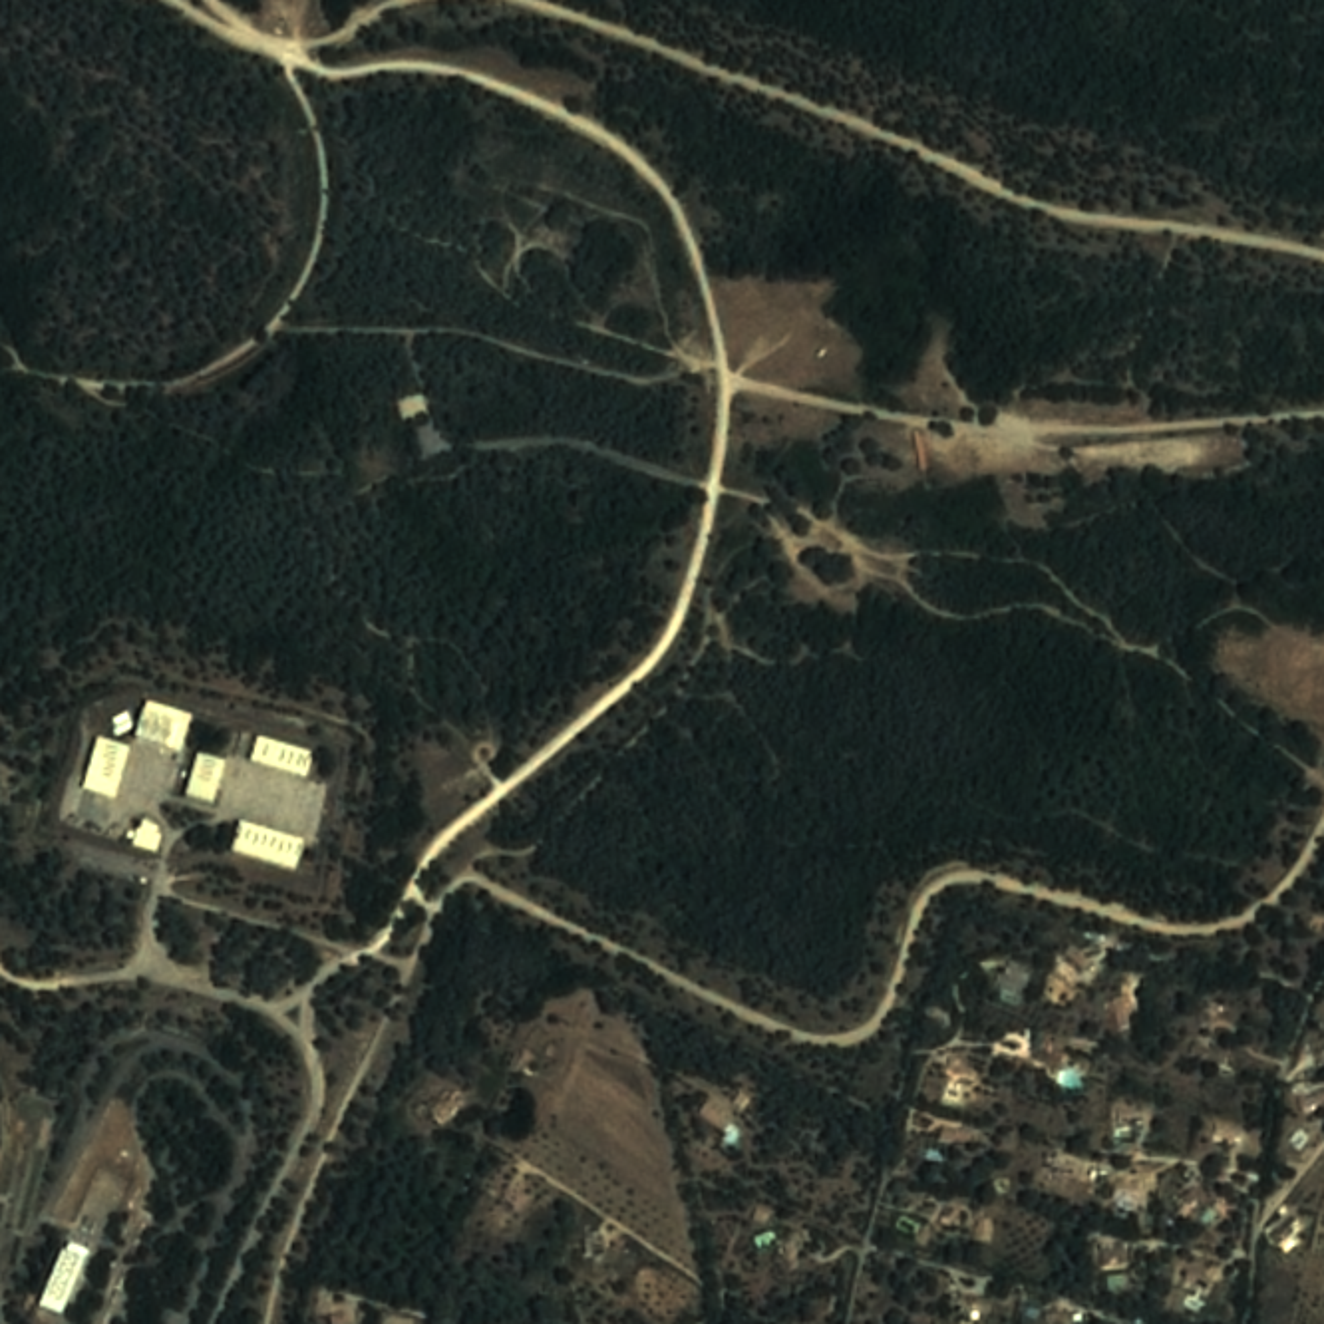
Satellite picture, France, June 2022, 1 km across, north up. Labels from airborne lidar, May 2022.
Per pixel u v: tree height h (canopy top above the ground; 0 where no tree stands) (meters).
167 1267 12
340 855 5
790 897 8
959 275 10
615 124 10
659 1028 16
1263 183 9
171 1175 8
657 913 13
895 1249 15
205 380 7
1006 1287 14
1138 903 9
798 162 7
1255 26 7
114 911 18
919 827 9
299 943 13
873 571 0
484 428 9
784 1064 17
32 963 7
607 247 9
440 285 13
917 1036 9
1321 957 11
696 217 0
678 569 12
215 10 0
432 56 0
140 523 12
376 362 8
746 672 11
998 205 8
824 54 9
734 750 12
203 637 10
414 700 12
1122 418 0
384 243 15
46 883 11
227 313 16
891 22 11
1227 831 6
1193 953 12
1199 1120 9
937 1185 8
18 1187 0
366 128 14
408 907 10
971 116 9
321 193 7
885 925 8
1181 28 11
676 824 12
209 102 15
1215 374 9
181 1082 9
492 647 13
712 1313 17
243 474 9
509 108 9
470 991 19
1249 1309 11
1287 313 7
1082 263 11
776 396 0
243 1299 14
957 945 14
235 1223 14
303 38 0
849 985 12
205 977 0
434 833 7
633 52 8
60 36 15
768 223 12
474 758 0
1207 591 7
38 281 10
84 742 0
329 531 16
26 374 9
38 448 16
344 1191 9
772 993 7
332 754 9
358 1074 0
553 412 11
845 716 12
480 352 13
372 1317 9
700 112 16
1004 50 13
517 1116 18
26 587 13
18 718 7
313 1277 7
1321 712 0
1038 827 7
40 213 9
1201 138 10
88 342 9
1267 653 0
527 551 15
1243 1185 16
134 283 17
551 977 10
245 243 17
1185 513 16
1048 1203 16
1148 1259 7
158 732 0
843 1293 9
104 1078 7
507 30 11
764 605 12
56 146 7
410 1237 8
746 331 0
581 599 8
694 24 13
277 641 11
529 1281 15
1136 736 7
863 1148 14
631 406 11
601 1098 0
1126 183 7
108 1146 0
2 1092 9
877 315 13
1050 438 0
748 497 0
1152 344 8
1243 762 7
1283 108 8
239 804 0
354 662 9
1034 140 10
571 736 0
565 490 6
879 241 10
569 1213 14
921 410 0
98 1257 8
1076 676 8
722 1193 9
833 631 10
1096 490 8
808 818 10
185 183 12
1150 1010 18
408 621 16
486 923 18
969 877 0
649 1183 0
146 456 11
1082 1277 20
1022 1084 10
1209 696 10
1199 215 0
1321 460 10
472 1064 17
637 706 9
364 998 18
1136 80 13
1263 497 13
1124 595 10
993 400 8
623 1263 0
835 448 9
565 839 10
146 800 0
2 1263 0
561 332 10
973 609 10
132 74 11
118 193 10
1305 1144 0
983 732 12
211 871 8
